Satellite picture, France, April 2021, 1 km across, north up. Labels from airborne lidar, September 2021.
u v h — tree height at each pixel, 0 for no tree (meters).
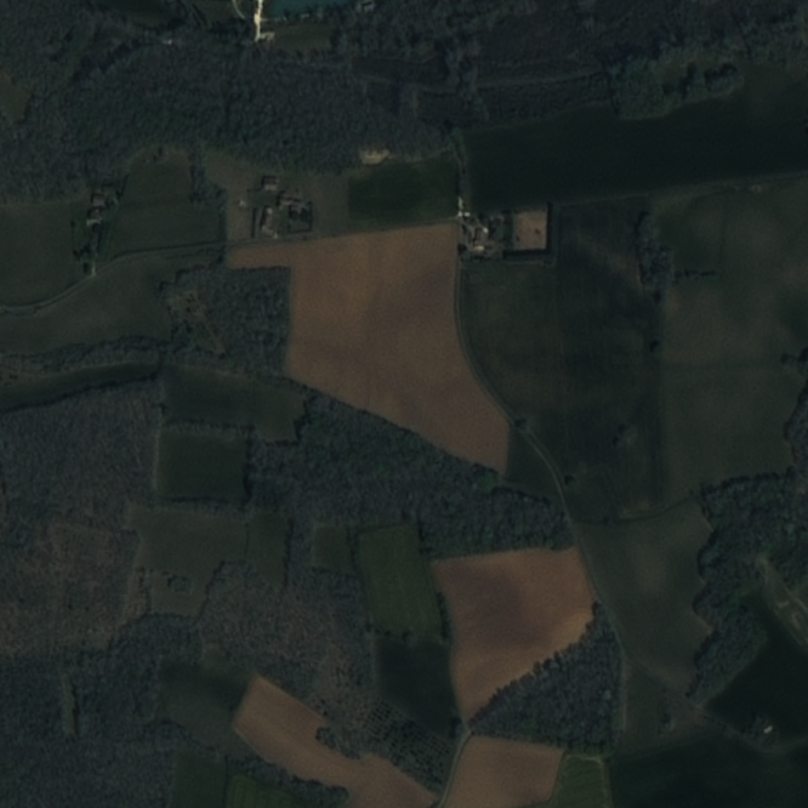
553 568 0
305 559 19
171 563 0
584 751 23
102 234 7
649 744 0
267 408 0
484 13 23
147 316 0
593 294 0
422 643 0
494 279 0
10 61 20
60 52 21
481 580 0
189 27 24
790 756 0
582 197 0
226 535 0
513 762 0
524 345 0
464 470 16
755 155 0
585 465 0
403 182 0
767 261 0
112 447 12
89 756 18
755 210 0
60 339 0
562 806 0
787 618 0
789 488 18
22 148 19
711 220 0
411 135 17
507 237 6
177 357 13
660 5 6
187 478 0
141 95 17
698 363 0
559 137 0
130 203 0
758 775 0
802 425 14
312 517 20
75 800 15
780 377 0
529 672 0
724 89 16
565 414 0
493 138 0
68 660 14
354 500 21
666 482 0
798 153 0
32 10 23
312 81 16
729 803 0
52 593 9
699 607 15
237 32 18
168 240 0
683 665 0
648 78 19
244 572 16
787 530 22
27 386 0
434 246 0
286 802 0
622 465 0
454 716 0
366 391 0
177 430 14
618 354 0
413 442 18
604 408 0
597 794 0
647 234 18
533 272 0
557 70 6
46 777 18
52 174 17
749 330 0
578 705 18
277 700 0
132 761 15
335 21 13
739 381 0
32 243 0
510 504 18
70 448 15
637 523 0
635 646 0
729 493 18
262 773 14
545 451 0
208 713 0
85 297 0
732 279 0
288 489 20
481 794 0
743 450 0
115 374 0
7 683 17
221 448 0
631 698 0
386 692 0
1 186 14
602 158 0
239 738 0
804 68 13
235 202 0
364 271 0
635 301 0
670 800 0
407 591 0
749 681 0
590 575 0
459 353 0
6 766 21
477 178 0
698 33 12
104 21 18
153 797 17
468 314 0
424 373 0
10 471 13
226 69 19
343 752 12
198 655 17
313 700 6
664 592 0
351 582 15
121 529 13
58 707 19
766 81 0
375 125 18
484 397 0
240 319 17
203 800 0
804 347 0
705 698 17
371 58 7
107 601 10
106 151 19
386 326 0
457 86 20
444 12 24
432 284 0
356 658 16
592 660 19
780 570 7
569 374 0
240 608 16
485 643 0
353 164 19
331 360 0
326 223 0
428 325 0
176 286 10
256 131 21
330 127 18
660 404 0
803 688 0
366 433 20
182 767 0
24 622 10
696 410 0
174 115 21
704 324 0
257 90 23
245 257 0
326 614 16
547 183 0
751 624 21
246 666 20
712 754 0
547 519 17
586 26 25
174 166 0
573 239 0
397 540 0
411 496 19
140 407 10
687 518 0
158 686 13
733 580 18
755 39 12
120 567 11
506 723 24
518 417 0
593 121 0
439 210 0
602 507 0
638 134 0
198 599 0
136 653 22
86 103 20
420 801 0
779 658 0
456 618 0
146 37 12
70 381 0
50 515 8
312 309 0
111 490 12
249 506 14
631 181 0
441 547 21
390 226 0
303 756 0
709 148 0
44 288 0
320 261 0
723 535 17
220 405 0
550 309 0
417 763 6
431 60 6
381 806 0
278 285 12
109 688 22
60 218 0
